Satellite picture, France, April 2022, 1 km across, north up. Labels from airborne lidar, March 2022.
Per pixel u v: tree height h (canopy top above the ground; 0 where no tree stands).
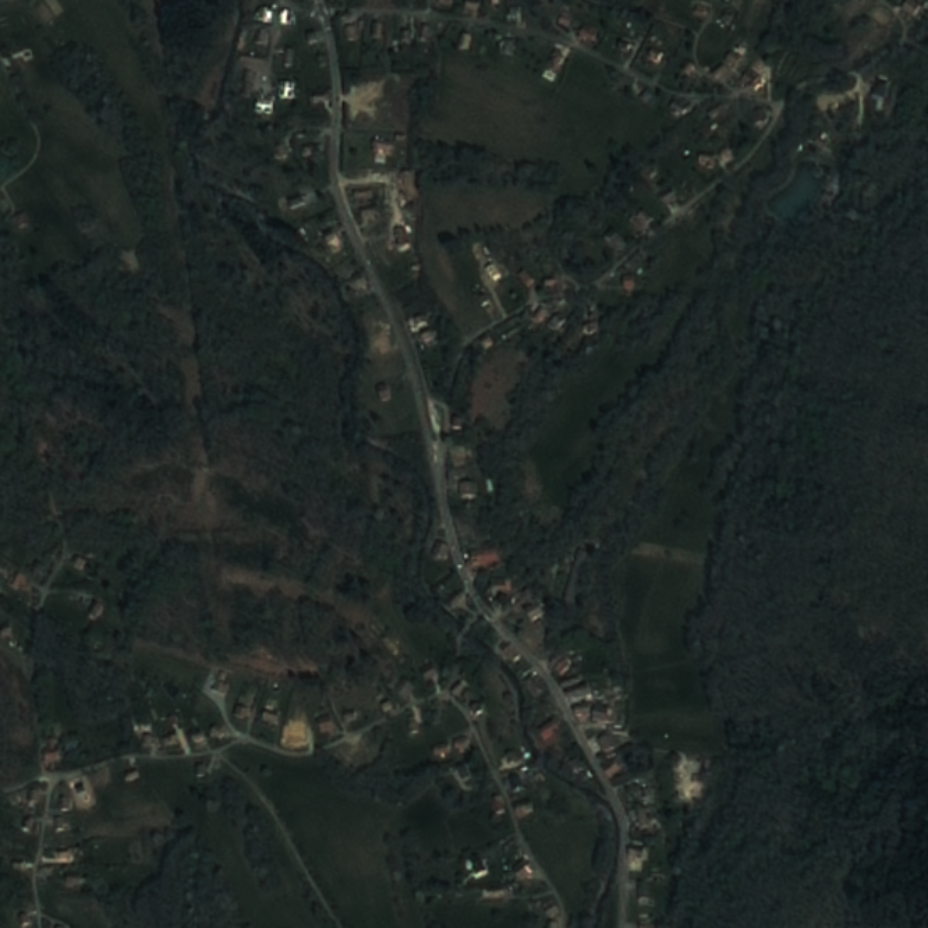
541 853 0
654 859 0
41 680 16
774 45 18
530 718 11
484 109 0
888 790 27
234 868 0
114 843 0
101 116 17
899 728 9
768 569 19
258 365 12
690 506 0
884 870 11
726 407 0
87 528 22
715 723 0
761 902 19
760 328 17
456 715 0
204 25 23
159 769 0
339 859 0
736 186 18
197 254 7
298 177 16
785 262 21
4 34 0
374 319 0
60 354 21
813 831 7
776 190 21
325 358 22
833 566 16
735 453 20
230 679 0
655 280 0
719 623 19
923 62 9
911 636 19
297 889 0
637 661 0
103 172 0
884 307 19
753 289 19
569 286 10
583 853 0
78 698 21
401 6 10
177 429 23
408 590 19
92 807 0
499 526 14
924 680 19
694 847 19
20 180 0
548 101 0
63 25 0
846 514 17
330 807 0
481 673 5
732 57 0
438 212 0
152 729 0
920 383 20
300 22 0
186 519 0
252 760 0
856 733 18
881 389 14
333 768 14
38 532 20
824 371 19
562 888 0
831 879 16
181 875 19
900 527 17
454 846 0
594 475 12
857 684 13
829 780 17
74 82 8
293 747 0
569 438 0
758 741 16
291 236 30
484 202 0
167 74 7
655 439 25
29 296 18
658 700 0
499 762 0
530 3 18
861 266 21
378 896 0
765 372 17
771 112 0
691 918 18
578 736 0
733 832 24
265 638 20
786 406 23
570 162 0
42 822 0
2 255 10
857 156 22
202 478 0
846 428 20
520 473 6
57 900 0
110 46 0
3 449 19
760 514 22
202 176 22
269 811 0
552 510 0
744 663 22
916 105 16
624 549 17
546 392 17
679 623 0
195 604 21
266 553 0
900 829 13
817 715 14
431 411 0
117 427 20
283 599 21
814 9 7
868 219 24
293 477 22
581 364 9
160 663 0
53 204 0
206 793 10
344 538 21
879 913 19
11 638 0
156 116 0
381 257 0
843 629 22
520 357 0
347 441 12
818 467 20
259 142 0
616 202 17
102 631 8
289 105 0
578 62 0
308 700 0
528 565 11
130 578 23
